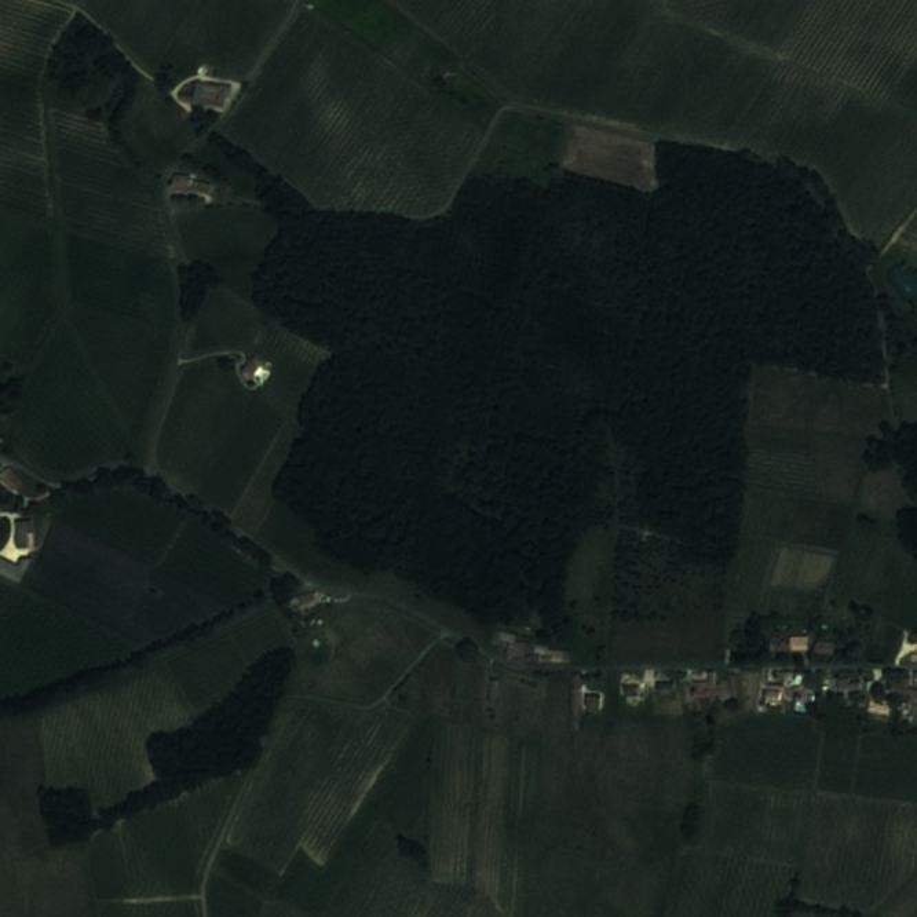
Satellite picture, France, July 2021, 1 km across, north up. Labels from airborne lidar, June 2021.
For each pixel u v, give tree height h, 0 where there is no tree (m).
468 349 20
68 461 0
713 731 7
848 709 0
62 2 0
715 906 0
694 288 19
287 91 0
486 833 0
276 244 12
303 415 14
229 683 0
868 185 0
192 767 21
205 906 0
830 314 23
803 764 0
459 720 0
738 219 17
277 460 0
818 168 0
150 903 0
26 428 0
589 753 0
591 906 0
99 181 0
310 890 0
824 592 0
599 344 8
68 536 0
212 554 0
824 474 0
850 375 19
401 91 0
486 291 8
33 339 0
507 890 0
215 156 0
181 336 0
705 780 0
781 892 0
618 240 7
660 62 0
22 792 0
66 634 0
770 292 18
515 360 11
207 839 0
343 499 16
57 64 6
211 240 0
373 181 0
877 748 0
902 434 15
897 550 0
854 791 0
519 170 0
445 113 0
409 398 16
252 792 0
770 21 0
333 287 16
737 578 0
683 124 0
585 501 13
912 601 0
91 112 7
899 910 0
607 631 0
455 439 24
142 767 0
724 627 0
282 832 0
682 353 16
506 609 21
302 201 16
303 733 0
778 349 19
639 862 0
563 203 7
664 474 11
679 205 17
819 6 0
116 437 0
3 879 0
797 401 0
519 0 0
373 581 0
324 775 0
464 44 0
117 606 0
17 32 0
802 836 0
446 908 0
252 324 0
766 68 0
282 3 0
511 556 30
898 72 0
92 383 0
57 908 0
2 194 0
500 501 23
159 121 0
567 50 0
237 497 0
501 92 0
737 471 22
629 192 11
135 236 0
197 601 0
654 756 0
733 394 21
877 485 0
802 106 0
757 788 0
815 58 0
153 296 0
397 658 0
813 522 0
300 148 0
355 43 0
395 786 0
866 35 0
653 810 0
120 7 0
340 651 0
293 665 15
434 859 0
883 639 0
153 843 0
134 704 0
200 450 0
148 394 0
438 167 0
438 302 20
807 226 12
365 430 27
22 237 0
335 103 0
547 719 0
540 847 0
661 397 22
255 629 0
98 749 0
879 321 21
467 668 0
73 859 0
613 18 0
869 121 0
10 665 0
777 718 0
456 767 0
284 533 0
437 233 8
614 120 0
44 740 0
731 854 0
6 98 0
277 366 0
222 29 0
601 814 0
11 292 0
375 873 0
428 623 0
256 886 0
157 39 0
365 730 0
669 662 0
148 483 18
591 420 17
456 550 25
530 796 0
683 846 0
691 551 8
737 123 0
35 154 0
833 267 22
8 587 0
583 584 0
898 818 0
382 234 20
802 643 0
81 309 0
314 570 0
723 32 0
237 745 24
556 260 6
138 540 0
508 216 9
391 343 20
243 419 0
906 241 0
